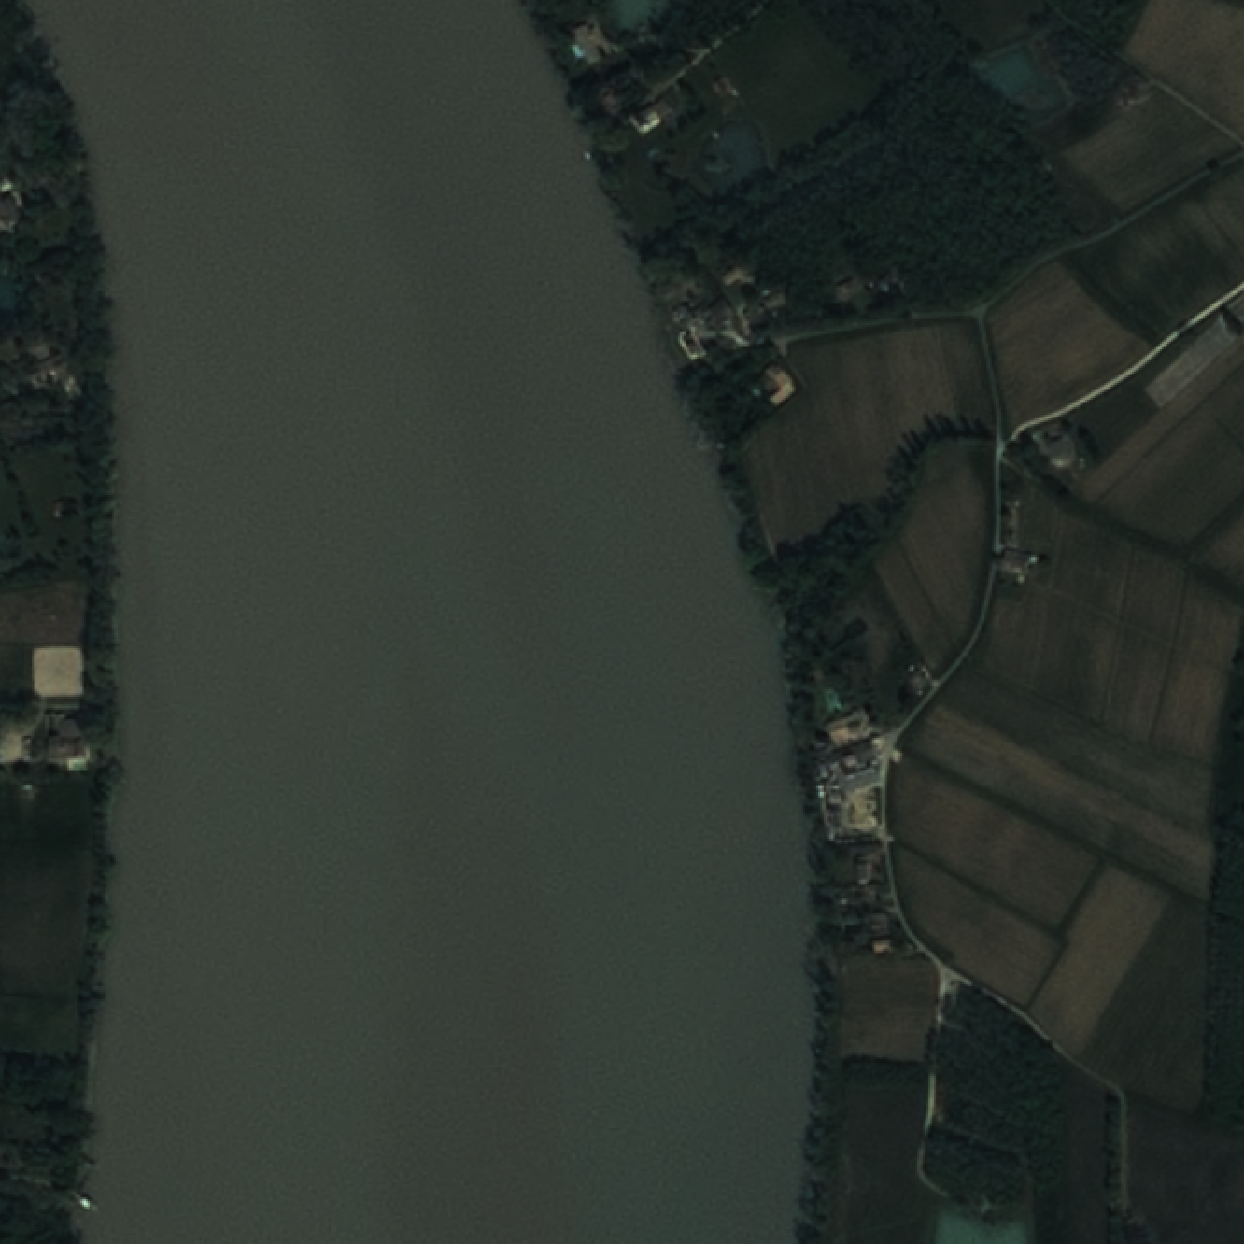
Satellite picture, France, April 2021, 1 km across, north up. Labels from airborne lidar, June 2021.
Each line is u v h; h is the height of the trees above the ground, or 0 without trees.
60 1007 0
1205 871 0
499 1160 0
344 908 0
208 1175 0
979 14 0
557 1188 0
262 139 0
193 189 0
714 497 0
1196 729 0
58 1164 8
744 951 0
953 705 0
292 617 0
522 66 0
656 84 23
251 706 0
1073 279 0
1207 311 0
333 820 0
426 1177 0
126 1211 0
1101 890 0
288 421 0
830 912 13
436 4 0
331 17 0
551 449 0
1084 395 0
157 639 0
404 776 0
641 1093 0
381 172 0
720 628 0
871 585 0
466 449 0
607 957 0
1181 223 0
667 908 0
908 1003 0
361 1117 0
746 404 10
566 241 0
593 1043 0
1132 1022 0
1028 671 0
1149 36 0
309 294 0
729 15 9
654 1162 0
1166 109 0
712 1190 0
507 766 0
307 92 0
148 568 0
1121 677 0
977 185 20
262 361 0
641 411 0
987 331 0
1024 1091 16
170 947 0
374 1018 0
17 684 0
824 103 0
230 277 0
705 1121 0
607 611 0
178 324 0
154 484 0
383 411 0
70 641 0
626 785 0
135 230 0
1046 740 0
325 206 0
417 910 0
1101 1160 0
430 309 0
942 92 15
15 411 9
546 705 0
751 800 0
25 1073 17
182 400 0
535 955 0
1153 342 0
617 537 0
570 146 0
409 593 0
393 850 0
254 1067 0
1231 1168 0
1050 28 14
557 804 0
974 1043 16
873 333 0
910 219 18
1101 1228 0
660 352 0
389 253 0
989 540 0
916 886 0
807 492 0
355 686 0
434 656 0
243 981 0
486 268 0
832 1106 17
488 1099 0
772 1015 0
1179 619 0
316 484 0
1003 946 0
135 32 0
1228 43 0
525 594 0
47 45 9
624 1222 0
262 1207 0
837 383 0
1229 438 0
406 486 0
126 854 0
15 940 0
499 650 0
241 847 0
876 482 0
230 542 0
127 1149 0
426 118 0
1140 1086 0
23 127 27
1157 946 0
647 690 0
